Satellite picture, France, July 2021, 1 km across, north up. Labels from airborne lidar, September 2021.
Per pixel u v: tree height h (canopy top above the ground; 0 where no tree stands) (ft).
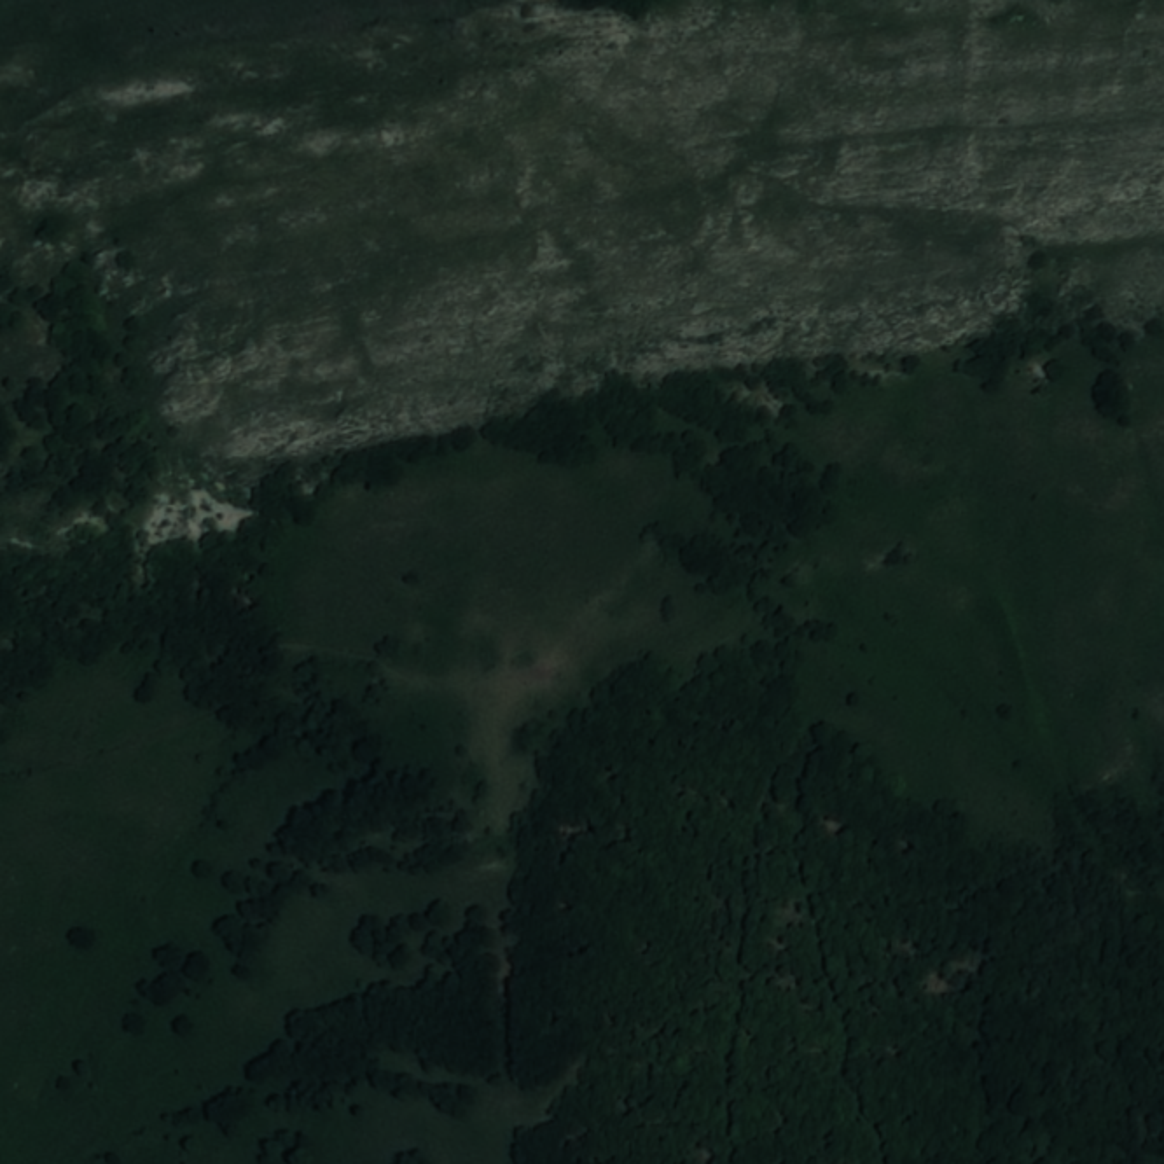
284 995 0
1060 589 0
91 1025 0
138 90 0
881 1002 90
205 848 0
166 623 72
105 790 0
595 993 90
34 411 50
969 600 0
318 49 0
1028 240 34
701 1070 78
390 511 0
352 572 0
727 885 77
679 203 0
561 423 78
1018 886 69
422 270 0
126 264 40
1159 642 0
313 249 0
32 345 0
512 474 0
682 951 52
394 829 27
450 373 0
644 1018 57
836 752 72
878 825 105
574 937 95
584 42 0
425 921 34
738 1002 72
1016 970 30
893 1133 80
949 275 0
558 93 0
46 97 0
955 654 0
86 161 0
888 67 0
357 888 0
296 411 0
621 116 0
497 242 0
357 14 0
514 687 0
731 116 0
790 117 0
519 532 0
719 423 78
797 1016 74
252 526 59
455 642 0
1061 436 0
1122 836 25
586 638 0
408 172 0
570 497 0
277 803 0
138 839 0
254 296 0
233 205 0
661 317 0
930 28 0
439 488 0
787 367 57
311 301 0
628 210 0
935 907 87
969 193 0
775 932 81
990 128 0
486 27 0
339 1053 58
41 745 0
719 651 34
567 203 0
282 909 46
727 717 87
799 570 37
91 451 51
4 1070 0
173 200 0
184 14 0
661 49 0
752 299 0
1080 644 0
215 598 68
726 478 75
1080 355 0
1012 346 62
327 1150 0
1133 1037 66
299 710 26
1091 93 0
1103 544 0
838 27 0
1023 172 0
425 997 69
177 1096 0
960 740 0
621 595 0
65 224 0
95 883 0
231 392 0
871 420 0
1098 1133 31
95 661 60
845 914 81
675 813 82
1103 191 0
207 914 0
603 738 87
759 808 79
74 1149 0
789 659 72
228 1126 54
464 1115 35
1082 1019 73
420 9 0
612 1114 78
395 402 0
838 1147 81
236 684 77
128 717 0
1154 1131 43
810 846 78
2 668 53
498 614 0
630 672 52
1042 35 0
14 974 0
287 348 0
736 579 68
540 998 62
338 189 0
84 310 64
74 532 32
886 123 0
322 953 0
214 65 0
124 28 0
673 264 0
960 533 0
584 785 93
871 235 0
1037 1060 66
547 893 82
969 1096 85
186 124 0
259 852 0
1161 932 50
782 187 0
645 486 0
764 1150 87
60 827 0
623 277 0
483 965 54
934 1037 91
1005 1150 66
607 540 0
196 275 0
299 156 0
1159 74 0
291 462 33
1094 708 0
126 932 0
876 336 0
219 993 0
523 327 0
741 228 0
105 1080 0
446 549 0
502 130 0
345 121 0
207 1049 0
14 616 58
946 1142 75
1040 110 0
